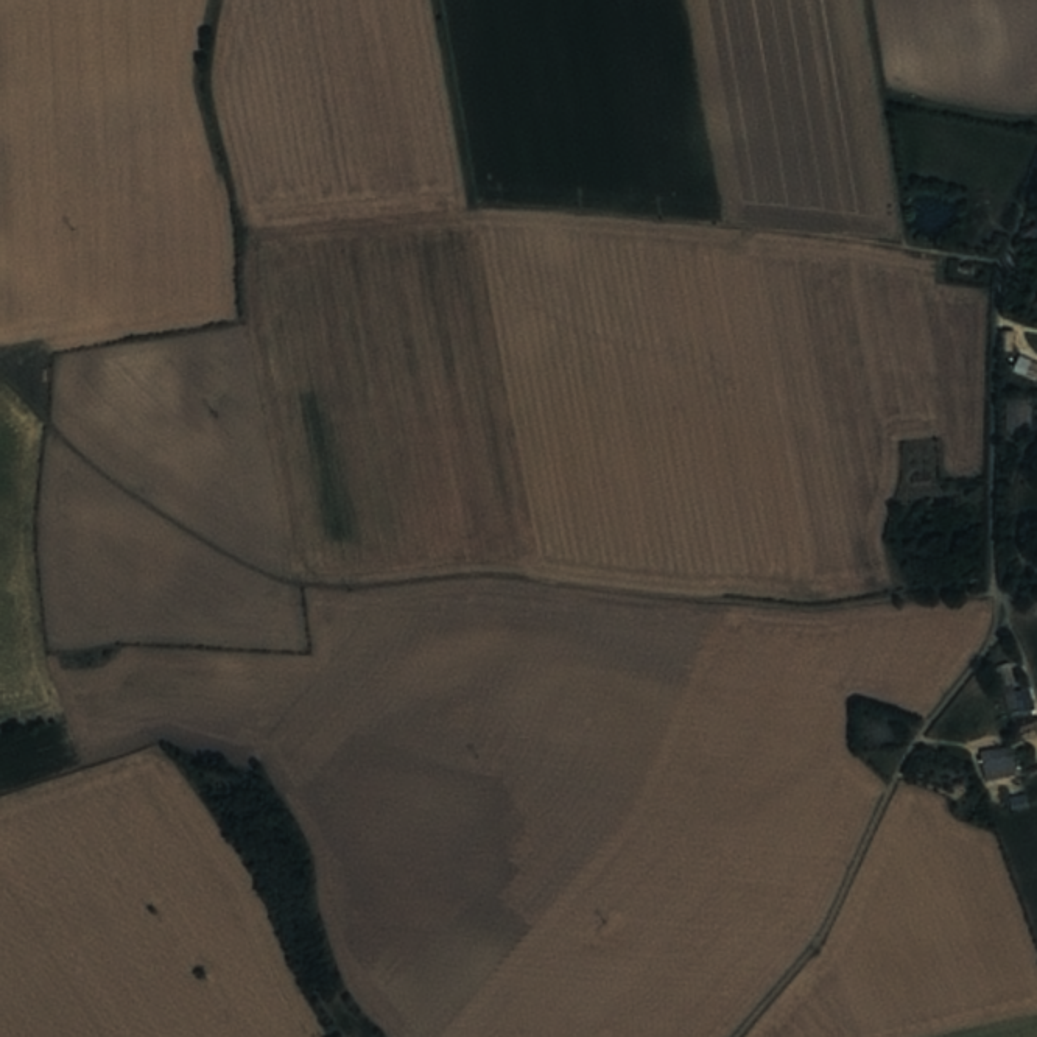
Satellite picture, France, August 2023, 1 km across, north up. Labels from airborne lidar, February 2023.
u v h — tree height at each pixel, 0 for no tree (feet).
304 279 0
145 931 0
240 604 0
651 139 0
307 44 0
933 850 0
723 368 0
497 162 0
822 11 0
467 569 0
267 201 0
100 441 0
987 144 0
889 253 0
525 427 0
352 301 0
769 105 0
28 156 0
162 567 0
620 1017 0
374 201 0
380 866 0
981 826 27
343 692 0
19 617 0
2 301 0
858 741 55
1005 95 0
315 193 0
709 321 0
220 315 0
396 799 0
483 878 0
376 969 0
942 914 0
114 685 0
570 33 0
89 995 0
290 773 0
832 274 0
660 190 0
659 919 0
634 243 0
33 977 0
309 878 45
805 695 0
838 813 0
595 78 0
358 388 0
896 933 0
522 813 0
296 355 0
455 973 0
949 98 0
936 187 37
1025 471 59
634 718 0
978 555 31
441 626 0
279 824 58
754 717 0
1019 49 0
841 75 0
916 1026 0
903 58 0
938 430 0
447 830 0
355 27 0
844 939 0
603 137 0
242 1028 0
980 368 0
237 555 0
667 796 0
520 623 0
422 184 0
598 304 0
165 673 0
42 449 0
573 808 0
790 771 0
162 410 0
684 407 0
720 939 0
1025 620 0
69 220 0
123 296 0
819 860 0
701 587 0
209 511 0
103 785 0
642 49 0
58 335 0
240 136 0
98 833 0
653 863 0
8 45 0
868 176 0
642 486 0
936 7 0
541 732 0
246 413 0
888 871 0
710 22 0
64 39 0
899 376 0
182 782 0
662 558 0
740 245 0
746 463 0
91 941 0
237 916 0
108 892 0
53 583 0
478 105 0
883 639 0
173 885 0
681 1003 0
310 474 0
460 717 0
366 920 0
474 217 0
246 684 0
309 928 42
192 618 0
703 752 0
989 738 0
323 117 0
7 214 0
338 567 0
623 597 0
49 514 0
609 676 0
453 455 0
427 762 0
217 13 0
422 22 0
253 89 0
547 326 0
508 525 0
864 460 0
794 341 0
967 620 0
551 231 0
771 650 0
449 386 0
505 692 0
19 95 0
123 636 0
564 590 0
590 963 0
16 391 0
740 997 0
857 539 0
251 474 0
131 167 0
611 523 0
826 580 0
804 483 0
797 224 0
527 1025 0
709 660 0
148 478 0
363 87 0
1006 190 0
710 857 0
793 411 0
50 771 0
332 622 0
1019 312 33
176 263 0
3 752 0
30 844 0
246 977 0
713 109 0
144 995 0
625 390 0
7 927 0
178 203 0
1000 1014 0
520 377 0
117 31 0
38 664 0
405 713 0
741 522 0
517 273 0
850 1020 0
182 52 0
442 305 0
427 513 0
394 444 0
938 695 0
